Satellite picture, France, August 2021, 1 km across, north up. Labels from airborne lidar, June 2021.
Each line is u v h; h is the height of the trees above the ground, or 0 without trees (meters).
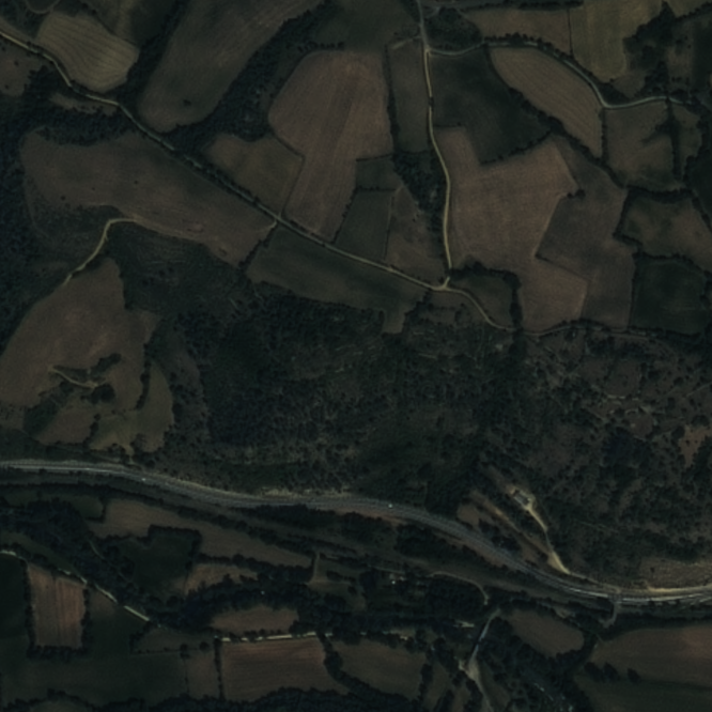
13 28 0
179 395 8
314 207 0
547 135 6
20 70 0
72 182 0
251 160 0
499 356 10
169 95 0
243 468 7
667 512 7
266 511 16
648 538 7
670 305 0
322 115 0
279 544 12
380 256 0
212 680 0
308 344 6
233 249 0
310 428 12
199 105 0
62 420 0
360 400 6
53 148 0
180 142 9
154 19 0
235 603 20
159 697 0
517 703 11
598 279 0
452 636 29
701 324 0
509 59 0
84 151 0
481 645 15
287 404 12
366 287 0
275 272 0
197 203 0
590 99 0
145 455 10
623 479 10
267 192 0
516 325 14
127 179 0
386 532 6
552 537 8
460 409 5
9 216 11
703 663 0
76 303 0
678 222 0
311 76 0
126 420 0
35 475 8
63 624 0
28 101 14
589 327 8
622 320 0
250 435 13
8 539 0
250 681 0
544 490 12
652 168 0
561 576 7
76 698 7
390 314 0
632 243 11
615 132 0
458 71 0
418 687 0
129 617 0
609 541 6
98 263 11
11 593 0
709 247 0
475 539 0
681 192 11
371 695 23
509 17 0
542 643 0
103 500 15
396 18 0
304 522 7
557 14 0
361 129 0
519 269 0
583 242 0
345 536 8
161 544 0
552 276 0
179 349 0
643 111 0
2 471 15
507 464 9
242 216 0
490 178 0
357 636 17
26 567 10
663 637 0
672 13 8
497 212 0
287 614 0
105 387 7
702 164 0
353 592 15
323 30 0
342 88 0
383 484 7
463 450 5
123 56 0
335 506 0
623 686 0
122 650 0
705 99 0
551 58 0
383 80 0
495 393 10
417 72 0
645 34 17
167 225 0
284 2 0
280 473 7
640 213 0
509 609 17
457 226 0
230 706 9
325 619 22
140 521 0
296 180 0
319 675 0
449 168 0
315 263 0
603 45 0
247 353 9
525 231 0
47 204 0
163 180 0
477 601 13
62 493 14
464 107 0
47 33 0
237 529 11
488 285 0
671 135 7
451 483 10
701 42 0
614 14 0
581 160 0
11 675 0
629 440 20
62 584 0
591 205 0
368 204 0
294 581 16
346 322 6
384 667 0
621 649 0
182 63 0
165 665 0
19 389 0
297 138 0
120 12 0
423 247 0
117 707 12
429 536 17
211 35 0
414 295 0
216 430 9
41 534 15
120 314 0
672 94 7
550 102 0
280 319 9
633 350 8
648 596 0
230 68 0
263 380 16
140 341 0
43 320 0
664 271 0
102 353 0
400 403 9
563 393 11
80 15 0
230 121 11
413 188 9
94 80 0
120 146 0
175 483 0
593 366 0
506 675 7
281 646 0
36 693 0
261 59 11
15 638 0
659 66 8
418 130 0
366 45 0
